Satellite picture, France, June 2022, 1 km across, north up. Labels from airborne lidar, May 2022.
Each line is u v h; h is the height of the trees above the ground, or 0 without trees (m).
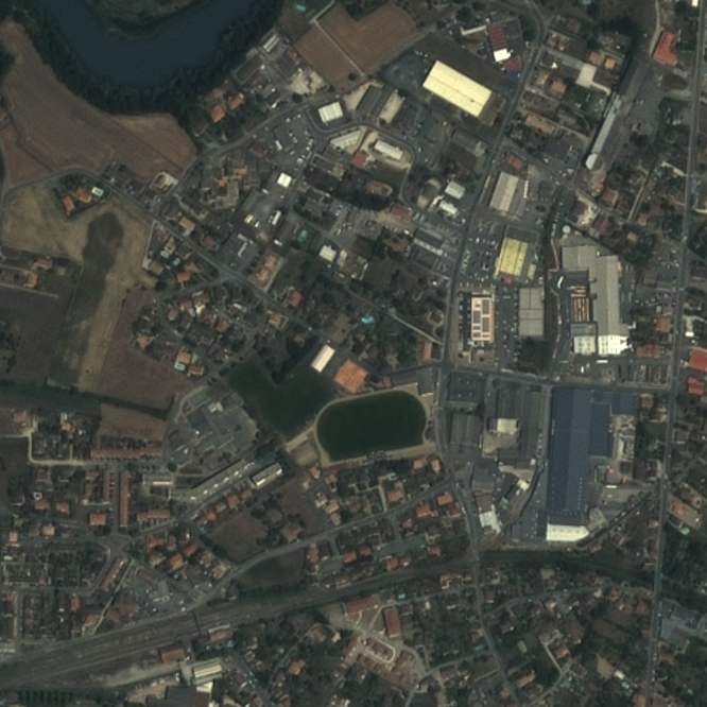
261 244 0
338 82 0
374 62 0
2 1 13
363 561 6
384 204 10
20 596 0
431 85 0
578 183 0
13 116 0
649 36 0
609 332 0
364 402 0
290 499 0
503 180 0
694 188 0
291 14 0
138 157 0
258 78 0
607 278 0
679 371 0
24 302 0
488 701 0
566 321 0
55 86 0
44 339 0
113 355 0
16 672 0
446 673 0
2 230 0
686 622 0
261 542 5
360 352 10
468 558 0
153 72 0
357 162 0
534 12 0
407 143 0
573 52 0
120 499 0
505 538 0
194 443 0
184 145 0
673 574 8
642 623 11
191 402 0
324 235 0
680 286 0
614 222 8
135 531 7
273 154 0
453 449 0
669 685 15
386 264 0
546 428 0
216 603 9
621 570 0
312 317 7
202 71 18
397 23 0
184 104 12
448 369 0
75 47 0
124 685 0
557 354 0
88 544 5
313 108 0
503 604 10
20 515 6
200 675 0
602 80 0
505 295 0
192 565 9
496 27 0
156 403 0
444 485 0
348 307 7
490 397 0
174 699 0
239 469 0
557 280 0
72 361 0
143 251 0
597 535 7
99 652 0
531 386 0
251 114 8
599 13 16
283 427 0
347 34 0
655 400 6
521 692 10
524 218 0
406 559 0
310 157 0
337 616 0
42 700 14
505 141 0
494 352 0
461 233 0
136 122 0
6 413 0
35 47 9
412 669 0
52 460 0
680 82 0
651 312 0
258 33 18
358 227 0
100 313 0
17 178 0
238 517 0
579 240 0
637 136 6
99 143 0
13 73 0
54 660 0
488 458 0
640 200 0
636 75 0
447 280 0
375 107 0
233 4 0
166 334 6
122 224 0
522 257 0
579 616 6
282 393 0
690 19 7
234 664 0
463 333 0
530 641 0
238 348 10
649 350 0
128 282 0
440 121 0
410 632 0
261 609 0
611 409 0
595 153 0
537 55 0
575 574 7
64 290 0
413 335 7
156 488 0
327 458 0
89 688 0
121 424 0
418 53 0
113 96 10
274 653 6
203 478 0
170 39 0
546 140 8
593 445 0
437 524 6
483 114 0
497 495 0
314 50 0
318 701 0
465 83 0
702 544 7
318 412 0
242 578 0
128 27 10
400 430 0
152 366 0
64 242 0
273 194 0
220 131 7
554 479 0
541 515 0
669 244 0
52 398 0
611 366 0
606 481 6
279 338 7
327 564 0
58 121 0
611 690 7
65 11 0
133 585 0
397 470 13
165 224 0
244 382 0
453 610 7
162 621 0
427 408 0
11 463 0
